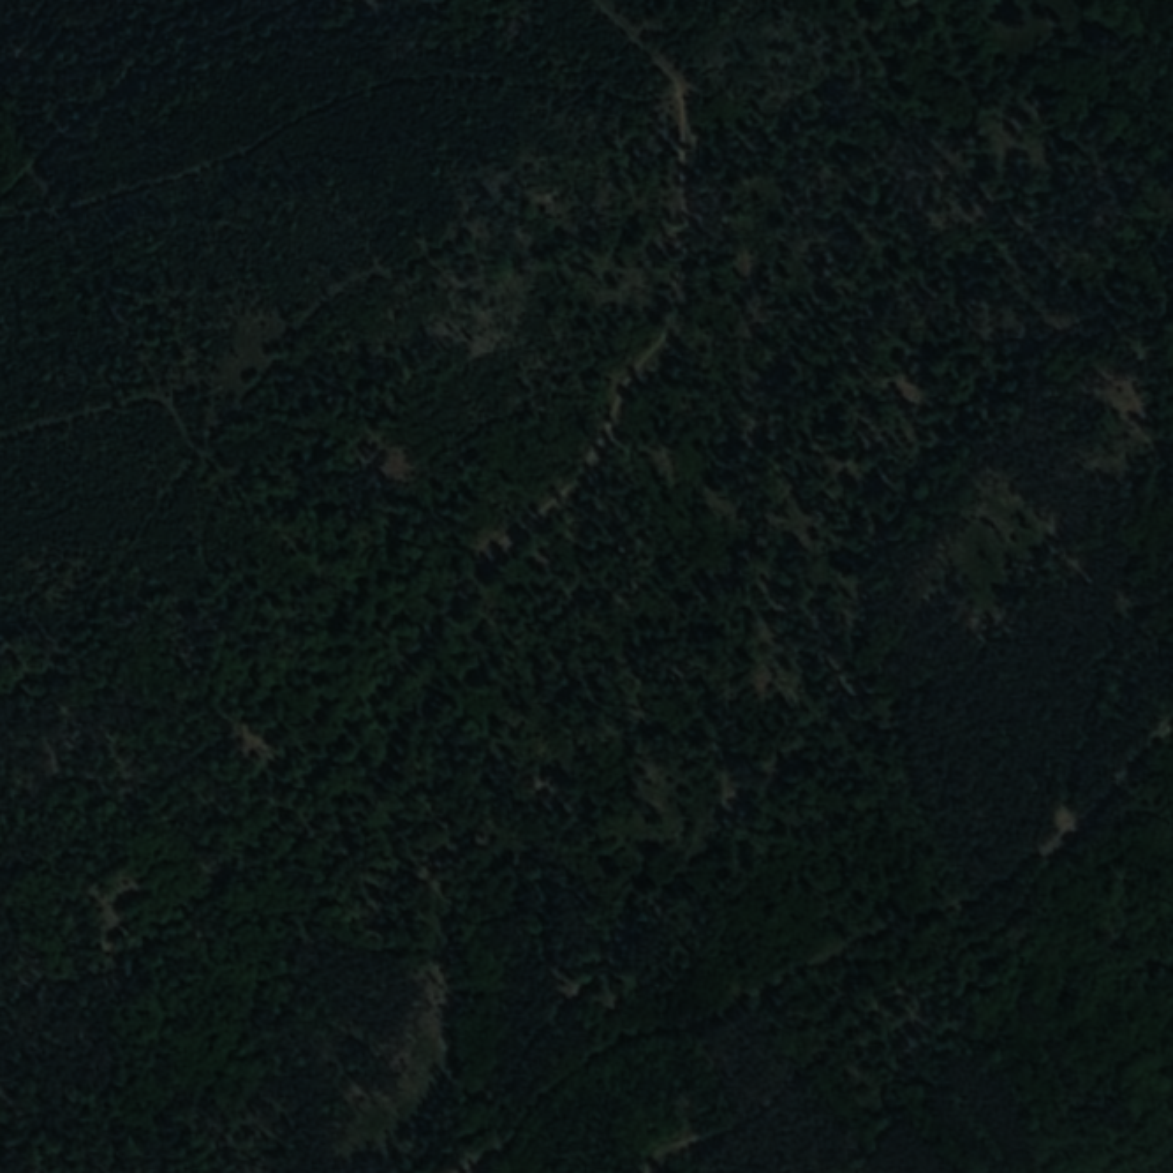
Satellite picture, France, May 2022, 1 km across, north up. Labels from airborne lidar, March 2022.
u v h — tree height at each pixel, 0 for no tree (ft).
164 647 87
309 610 97
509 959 86
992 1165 109
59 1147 96
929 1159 96
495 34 61
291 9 75
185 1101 98
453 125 37
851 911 27
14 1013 87
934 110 104
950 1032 108
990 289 120
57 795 66
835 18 98
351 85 51
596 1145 69
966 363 124
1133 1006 73
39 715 67
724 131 117
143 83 62
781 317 109
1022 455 91
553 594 43
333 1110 88
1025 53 0
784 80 37
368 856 114
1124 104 69
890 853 47
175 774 72
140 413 26
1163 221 24
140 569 27
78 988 73
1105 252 119
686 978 53
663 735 111
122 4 103
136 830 81
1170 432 75
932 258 122
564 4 33
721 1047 88
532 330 21
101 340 21
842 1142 93
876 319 137
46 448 28
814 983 42
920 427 143
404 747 121
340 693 103
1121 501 80
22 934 83
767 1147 97
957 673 88
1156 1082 110
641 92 27
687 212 0
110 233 86
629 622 24
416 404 27
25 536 28
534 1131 50
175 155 44
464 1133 75
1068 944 82
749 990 35
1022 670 76
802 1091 117
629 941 109
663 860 59
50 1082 83
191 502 28
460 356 21
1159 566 74
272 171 22
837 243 117
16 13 80
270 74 47
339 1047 82
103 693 82
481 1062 90
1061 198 115
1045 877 72
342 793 29
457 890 112
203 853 95
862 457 110
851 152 104
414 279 43
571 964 108
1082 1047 67
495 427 28
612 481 106
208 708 101
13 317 24
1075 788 94
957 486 99
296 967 91
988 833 89
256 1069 90
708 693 125
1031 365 89
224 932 56
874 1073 62
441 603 111
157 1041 91
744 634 103
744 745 35
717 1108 48
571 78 26
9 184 35
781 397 134
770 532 108
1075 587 82
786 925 36
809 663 114
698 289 71
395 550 103
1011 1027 68
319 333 25
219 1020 78
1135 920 76
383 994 104
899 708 88
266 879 85
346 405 88
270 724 66
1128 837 31
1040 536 0
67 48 68
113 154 30
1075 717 87
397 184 21
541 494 25
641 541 93
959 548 0
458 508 110
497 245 29
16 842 80
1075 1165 79
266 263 22
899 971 70
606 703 111
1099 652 82
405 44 52
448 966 86
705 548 27
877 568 112
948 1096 90
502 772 120
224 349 20
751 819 119
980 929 52
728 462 108
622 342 93
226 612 76
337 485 111
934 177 101
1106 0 71
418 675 70
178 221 20
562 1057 67
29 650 68
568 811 113
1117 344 113
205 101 47
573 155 28
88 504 26
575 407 24
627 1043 65
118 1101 73
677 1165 32
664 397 104
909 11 119
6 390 28
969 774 95
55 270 31
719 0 30
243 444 35
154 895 74
